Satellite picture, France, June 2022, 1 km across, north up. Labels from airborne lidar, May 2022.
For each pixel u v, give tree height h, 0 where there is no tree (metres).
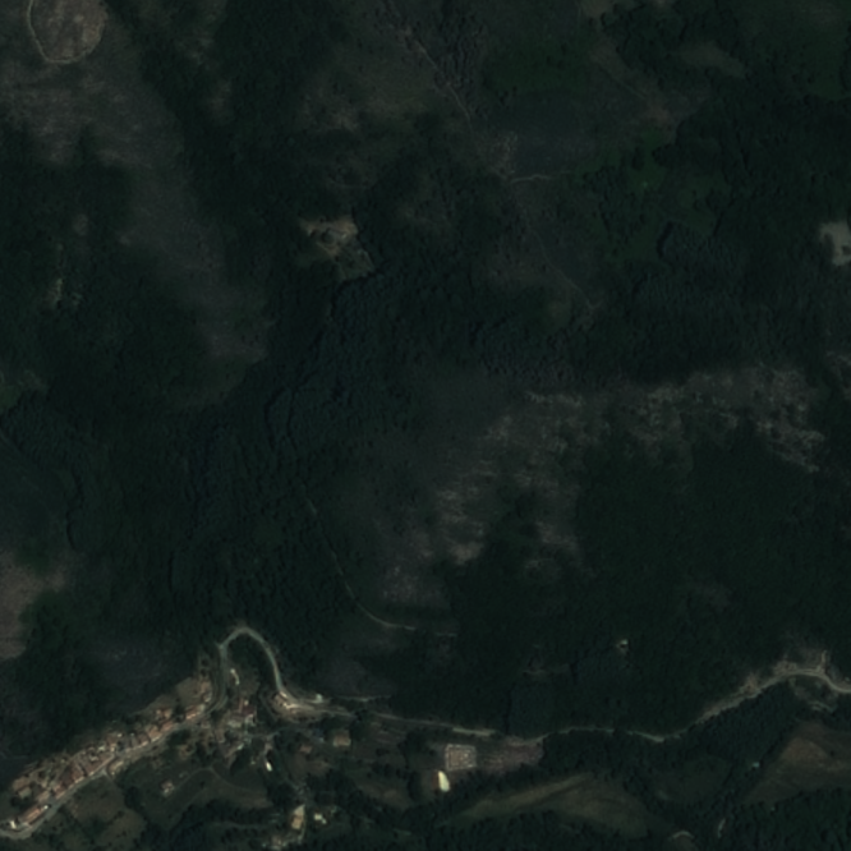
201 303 0
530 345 29
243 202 19
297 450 26
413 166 9
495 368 15
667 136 0
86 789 0
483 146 0
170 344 15
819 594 13
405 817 17
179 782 0
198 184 12
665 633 17
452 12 9
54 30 0
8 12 0
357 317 27
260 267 26
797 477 10
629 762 13
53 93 0
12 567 0
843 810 16
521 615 16
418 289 22
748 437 11
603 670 31
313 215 11
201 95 9
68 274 17
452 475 0
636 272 17
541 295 12
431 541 0
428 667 18
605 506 14
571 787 0
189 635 14
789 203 16
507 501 6
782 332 9
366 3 0
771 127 22
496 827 18
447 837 14
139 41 8
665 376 14
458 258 16
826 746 0
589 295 6
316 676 15
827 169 15
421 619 9
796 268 11
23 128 6
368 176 7
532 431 0
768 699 30
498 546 11
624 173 19
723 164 19
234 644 21
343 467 8
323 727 11
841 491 8
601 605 11
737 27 10
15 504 0
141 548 8
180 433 17
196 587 11
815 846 12
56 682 14
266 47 13
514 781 18
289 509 9
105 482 13
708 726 17
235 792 0
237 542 12
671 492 10
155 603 12
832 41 0
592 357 11
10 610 0
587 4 0
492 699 17
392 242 15
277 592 15
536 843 11
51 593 0
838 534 11
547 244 0
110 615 7
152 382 12
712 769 6
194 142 13
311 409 27
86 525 24
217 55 7
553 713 14
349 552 7
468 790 24
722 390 0
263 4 12
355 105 6
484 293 10
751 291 14
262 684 8
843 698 10
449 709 9
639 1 20
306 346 15
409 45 8
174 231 0
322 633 9
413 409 23
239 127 17
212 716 9
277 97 6
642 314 14
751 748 32
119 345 15
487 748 0
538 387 9
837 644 10
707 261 32
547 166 0
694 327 14
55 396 17
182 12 10
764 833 13
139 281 6
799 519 12
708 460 13
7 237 18
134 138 0
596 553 13
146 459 21
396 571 0
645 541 15
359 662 9
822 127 19
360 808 14
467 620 15
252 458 10
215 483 34
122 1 7
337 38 7
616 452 12
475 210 7
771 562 14
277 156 11
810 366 10
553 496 0
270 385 22
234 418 27
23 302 15
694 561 16
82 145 12
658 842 10
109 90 0
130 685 0
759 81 26
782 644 7
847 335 9
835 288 8
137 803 16
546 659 13
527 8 0
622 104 0
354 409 27
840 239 0
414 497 8
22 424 24
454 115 6
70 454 29
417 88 0
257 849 8
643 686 14
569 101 0
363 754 0
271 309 16
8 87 0
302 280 14
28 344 14
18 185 7
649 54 20
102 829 8
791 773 0
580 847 16
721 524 16
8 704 7
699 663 8
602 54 0
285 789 11
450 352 12
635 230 13
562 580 6
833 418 14
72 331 27
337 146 9
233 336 0
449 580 12
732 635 16
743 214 16
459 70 16
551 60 12
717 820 8
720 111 11
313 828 7
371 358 31
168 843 22
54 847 8
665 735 9
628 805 0
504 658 15
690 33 20
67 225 10
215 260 7
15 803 13
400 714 10
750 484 15
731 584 15
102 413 21
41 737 8
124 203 7
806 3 0
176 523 13
